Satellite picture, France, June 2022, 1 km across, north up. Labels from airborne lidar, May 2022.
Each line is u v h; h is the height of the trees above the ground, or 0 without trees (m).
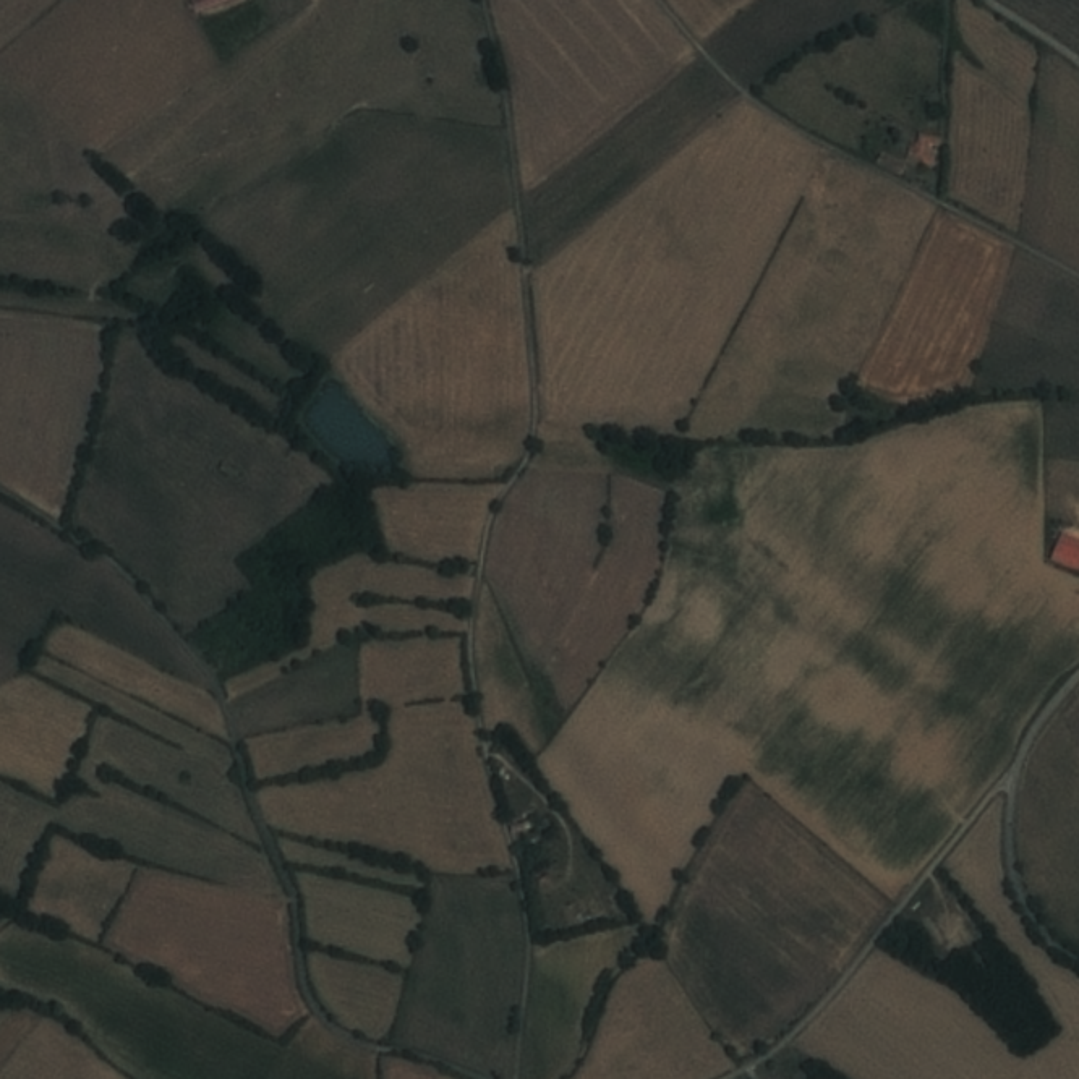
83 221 0
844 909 0
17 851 0
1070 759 0
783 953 0
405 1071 0
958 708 0
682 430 11
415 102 0
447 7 0
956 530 0
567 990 0
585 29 0
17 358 0
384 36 0
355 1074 0
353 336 0
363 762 13
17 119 0
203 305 17
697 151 0
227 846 0
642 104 0
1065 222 0
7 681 0
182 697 0
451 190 0
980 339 0
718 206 0
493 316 0
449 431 0
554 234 0
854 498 0
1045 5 0
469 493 0
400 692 0
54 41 0
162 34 0
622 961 12
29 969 0
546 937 11
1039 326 0
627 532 0
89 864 0
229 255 18
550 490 0
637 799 0
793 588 0
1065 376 0
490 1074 0
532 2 0
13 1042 0
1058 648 0
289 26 0
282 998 0
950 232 0
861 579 0
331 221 0
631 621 9
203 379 23
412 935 13
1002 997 13
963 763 0
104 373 7
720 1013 0
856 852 0
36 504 0
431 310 0
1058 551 0
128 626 0
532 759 16
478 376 0
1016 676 0
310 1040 0
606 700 0
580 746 0
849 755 0
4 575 0
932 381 0
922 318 0
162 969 11
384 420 0
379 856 15
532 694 0
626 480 0
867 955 0
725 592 0
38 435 0
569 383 0
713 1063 0
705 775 0
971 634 0
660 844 0
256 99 0
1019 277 0
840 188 0
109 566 0
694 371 0
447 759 0
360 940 0
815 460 0
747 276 0
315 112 0
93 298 0
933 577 0
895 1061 0
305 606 14
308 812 0
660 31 0
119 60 0
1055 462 0
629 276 0
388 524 0
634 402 0
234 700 0
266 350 0
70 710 0
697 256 0
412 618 0
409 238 0
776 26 0
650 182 0
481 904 0
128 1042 0
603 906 0
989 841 0
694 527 0
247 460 0
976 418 0
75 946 0
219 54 0
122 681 0
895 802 0
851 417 0
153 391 0
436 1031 0
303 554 6
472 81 0
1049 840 0
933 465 0
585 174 0
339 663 0
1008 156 0
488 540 0
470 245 0
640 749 0
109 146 0
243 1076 0
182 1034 0
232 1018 6
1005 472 0
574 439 0
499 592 0
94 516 0
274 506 0
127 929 0
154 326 25
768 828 0
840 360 0
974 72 0
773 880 0
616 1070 0
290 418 15
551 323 0
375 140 0
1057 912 0
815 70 0
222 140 0
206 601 0
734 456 0
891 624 0
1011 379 0
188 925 0
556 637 0
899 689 0
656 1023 0
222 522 0
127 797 0
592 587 0
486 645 0
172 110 0
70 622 7
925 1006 0
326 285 0
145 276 0
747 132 0
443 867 0
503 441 0
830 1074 12
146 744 0
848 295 0
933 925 0
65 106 0
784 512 0
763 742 0
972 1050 0
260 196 0
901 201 0
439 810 0
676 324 0
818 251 0
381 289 0
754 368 0
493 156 0
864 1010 0
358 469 20
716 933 0
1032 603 0
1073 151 0
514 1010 10
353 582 0
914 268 0
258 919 0
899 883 0
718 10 0
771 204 0
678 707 0
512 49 0
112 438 0
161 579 0
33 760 0
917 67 0
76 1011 0
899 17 0
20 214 0
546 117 0
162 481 0
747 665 0
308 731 0
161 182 0
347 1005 0
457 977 0
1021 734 0
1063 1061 0
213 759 0
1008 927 0
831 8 0
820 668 0
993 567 0
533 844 6
